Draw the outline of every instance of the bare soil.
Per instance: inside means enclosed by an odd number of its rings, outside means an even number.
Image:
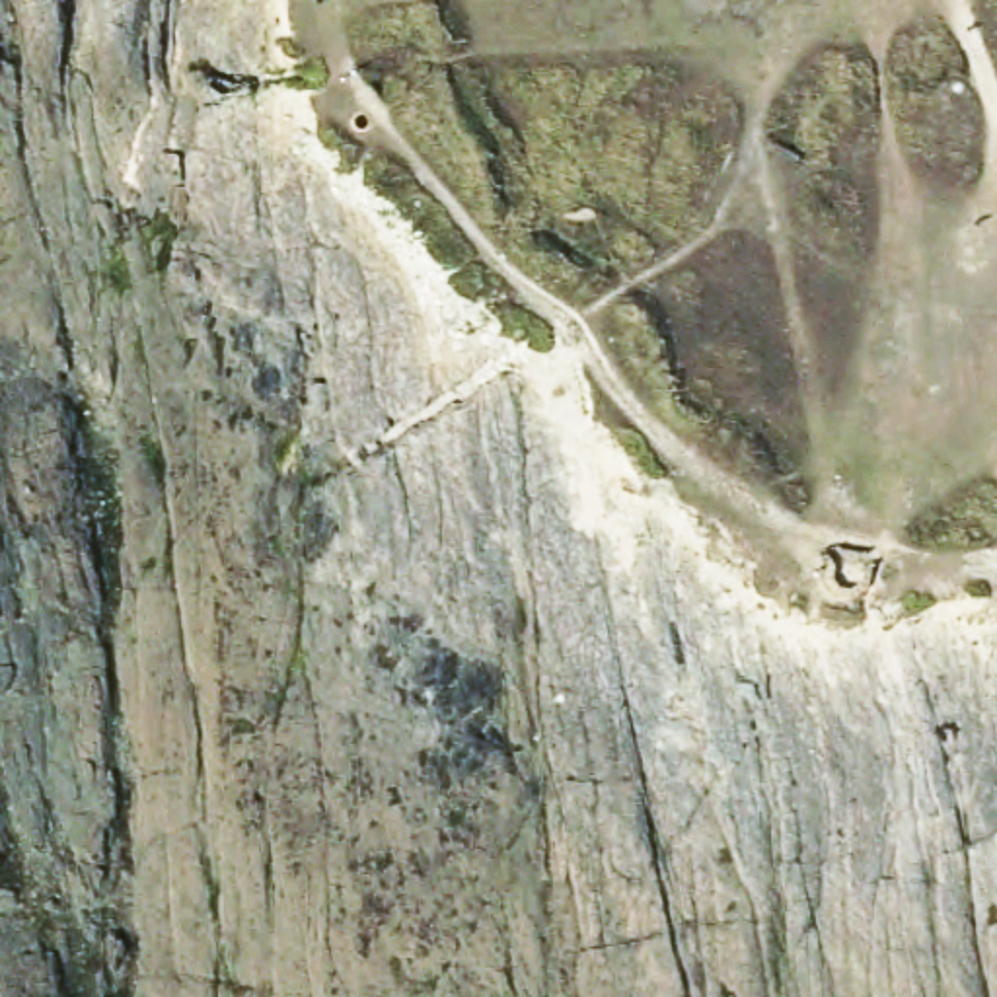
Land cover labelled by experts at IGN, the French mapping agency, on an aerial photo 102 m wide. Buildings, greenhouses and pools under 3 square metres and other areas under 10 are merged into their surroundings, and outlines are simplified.
[[[526,300],[518,300],[518,288],[479,257],[471,238],[452,222],[440,199],[413,175],[413,167],[382,136],[362,140],[347,132],[347,121],[362,117],[362,105],[347,86],[331,78],[331,66],[347,55],[354,58],[358,74],[382,97],[401,136],[448,183],[448,191],[467,206],[467,214],[491,234],[491,241],[526,277],[545,284],[572,308],[592,304],[627,273],[627,257],[615,253],[619,234],[635,234],[643,238],[643,245],[666,253],[713,218],[728,179],[740,171],[748,101],[736,82],[705,66],[685,66],[670,58],[662,47],[483,58],[471,47],[475,35],[463,0],[0,0],[0,997],[55,997],[51,966],[86,962],[90,954],[105,954],[105,966],[93,974],[93,997],[997,997],[997,479],[989,471],[970,475],[966,483],[950,487],[939,502],[919,506],[907,522],[904,541],[892,534],[802,522],[818,487],[810,475],[810,432],[802,413],[798,366],[787,339],[787,312],[771,241],[748,230],[724,230],[682,265],[658,273],[646,288],[631,288],[623,300],[611,300],[611,308],[592,327],[592,343],[557,347],[553,323],[537,315]],[[588,370],[600,347],[611,354],[615,370],[650,409],[650,417],[713,463],[701,483],[674,467],[646,440],[646,432],[608,397],[600,374]]]
[[[911,12],[907,23],[892,31],[888,55],[872,55],[865,43],[845,39],[810,43],[779,82],[763,129],[771,144],[771,171],[787,206],[798,300],[818,343],[818,374],[826,397],[845,393],[857,378],[853,354],[872,296],[880,238],[880,121],[896,117],[896,140],[927,199],[966,206],[966,199],[981,187],[985,175],[985,105],[970,74],[966,47],[958,43],[942,12]]]

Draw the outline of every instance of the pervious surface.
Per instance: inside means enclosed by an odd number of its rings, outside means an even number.
[[[608,397],[646,432],[646,440],[674,467],[701,483],[713,463],[650,417],[650,409],[615,370],[611,354],[600,347],[588,370],[600,374]]]
[[[623,300],[631,288],[646,288],[658,273],[682,265],[724,230],[748,230],[771,241],[787,312],[787,339],[798,366],[802,413],[810,432],[810,475],[818,487],[802,522],[892,534],[904,541],[907,522],[919,506],[939,502],[950,487],[966,483],[970,475],[989,471],[997,479],[997,0],[463,0],[475,35],[471,47],[483,58],[662,47],[670,58],[685,66],[705,66],[736,82],[748,101],[740,171],[728,179],[713,218],[666,253],[643,245],[643,238],[635,234],[619,234],[615,253],[627,257],[627,273],[592,304],[572,308],[545,284],[526,277],[491,241],[491,234],[467,214],[467,206],[448,191],[448,183],[401,136],[382,97],[358,74],[354,58],[347,55],[331,66],[331,78],[347,86],[362,105],[362,117],[347,121],[347,132],[362,140],[382,136],[413,167],[413,175],[440,199],[452,222],[471,238],[479,257],[518,288],[518,300],[526,300],[537,315],[553,323],[557,347],[592,343],[592,327],[611,308],[611,300]],[[787,206],[771,171],[771,144],[763,129],[779,82],[810,43],[845,39],[865,43],[872,55],[888,55],[892,31],[907,23],[911,12],[942,12],[958,43],[966,47],[970,74],[985,105],[985,175],[981,187],[966,199],[966,206],[927,199],[896,140],[896,117],[880,121],[880,238],[872,296],[853,354],[857,378],[845,393],[826,397],[818,374],[818,343],[798,300]]]

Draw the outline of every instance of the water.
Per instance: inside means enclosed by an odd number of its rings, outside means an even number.
[[[90,954],[86,962],[51,966],[55,997],[93,997],[93,974],[105,966],[105,954]]]

